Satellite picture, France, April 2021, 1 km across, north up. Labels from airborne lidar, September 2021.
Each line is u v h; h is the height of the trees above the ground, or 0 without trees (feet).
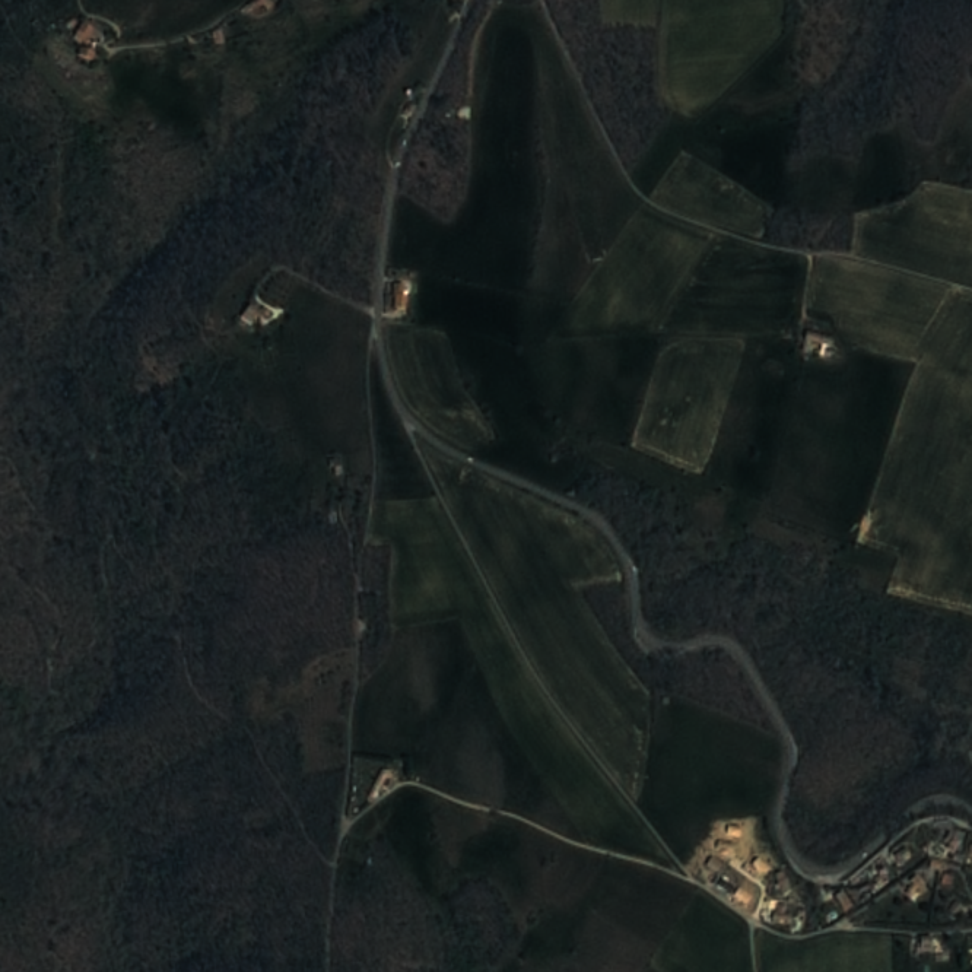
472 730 0
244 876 47
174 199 20
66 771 53
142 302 52
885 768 32
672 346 0
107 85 0
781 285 0
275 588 39
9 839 35
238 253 43
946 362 0
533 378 0
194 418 45
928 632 26
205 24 0
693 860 0
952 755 98
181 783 26
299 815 44
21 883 39
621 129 45
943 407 0
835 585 32
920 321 0
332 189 27
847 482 0
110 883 22
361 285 25
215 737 39
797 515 0
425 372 0
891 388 0
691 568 43
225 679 21
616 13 0
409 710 0
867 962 0
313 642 36
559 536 0
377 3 18
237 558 46
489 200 0
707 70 0
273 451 22
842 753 22
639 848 0
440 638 0
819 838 43
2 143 30
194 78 0
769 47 0
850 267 0
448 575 0
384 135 0
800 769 21
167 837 43
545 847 0
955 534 0
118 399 37
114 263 59
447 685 0
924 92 39
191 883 37
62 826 56
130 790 31
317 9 0
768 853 0
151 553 28
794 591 36
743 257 0
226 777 39
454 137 25
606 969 0
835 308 0
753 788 0
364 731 0
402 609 0
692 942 0
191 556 45
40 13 24
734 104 0
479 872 0
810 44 0
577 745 0
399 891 28
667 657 53
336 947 27
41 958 35
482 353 0
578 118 0
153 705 46
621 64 48
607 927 0
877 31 66
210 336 34
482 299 0
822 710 31
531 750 0
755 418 0
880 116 49
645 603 40
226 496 54
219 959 43
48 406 72
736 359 0
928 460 0
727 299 0
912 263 0
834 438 0
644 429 0
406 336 0
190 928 25
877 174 0
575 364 0
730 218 0
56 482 22
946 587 0
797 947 0
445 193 29
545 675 0
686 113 0
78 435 68
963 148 0
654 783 0
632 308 0
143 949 52
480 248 0
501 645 0
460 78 32
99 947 30
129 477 33
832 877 0
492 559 0
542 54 0
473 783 0
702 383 0
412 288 0
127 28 0
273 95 34
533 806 0
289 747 28
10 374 47
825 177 0
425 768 0
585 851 0
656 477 0
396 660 0
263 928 35
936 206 0
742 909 0
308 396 0
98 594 69
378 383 0
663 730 0
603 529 0
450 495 0
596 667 0
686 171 0
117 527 54
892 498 0
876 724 41
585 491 41
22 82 21
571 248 0
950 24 43
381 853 30
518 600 0
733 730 0
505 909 33
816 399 0
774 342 0
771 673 32
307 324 0
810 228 28
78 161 23
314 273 31
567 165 0
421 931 33
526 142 0
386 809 0
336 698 0
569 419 0
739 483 0
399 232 0
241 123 30
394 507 0
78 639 18
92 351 53
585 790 0
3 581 35
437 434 0
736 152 0
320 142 41
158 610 31
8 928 41
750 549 32
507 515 0
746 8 0
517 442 0
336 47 41
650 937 0
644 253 0
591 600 31
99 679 57
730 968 0
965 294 0
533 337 0
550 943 0
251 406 0
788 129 0
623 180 0
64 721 25
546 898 0
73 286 25
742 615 44
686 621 68
